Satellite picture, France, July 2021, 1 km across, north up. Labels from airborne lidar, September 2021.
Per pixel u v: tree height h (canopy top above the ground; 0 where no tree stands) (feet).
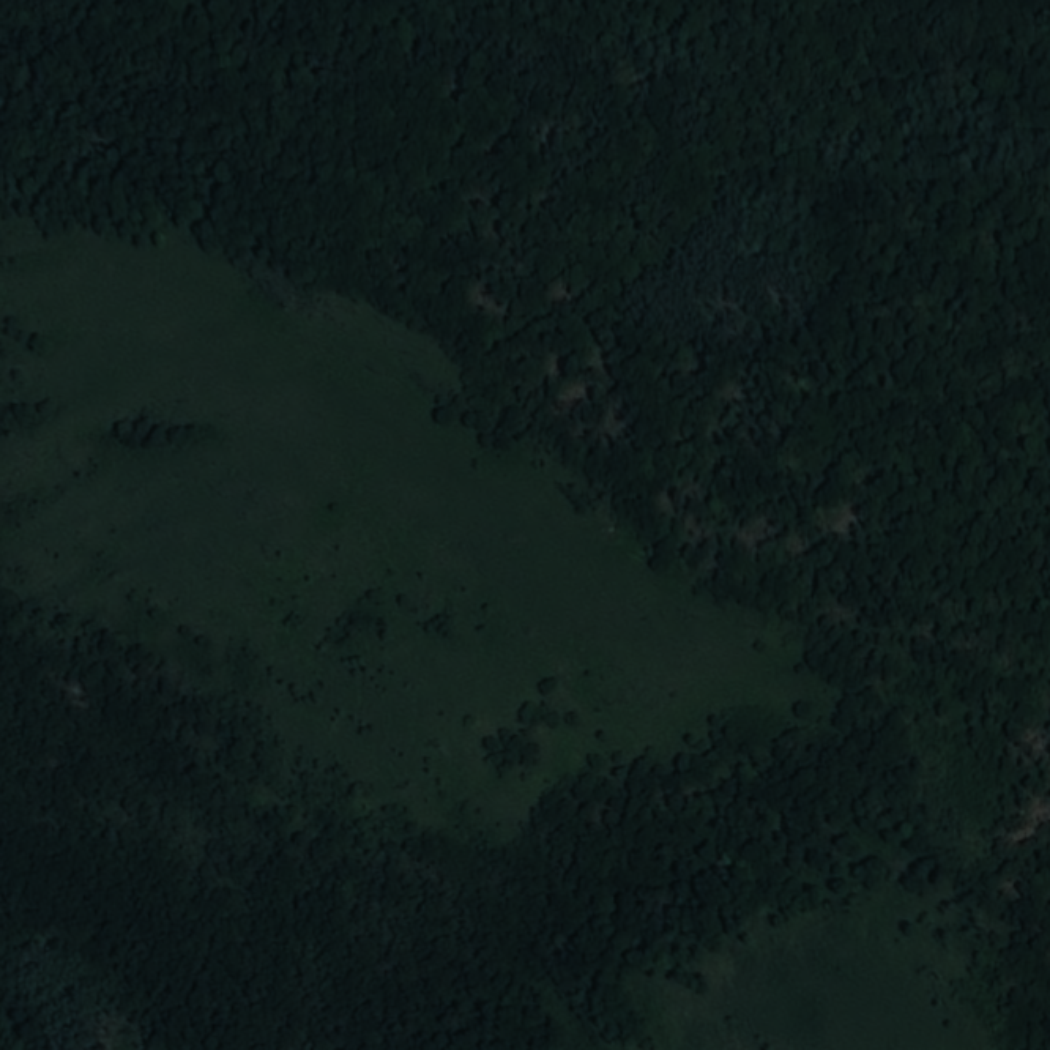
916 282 101
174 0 97
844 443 36
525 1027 68
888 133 81
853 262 80
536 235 87
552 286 89
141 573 0
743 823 93
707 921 72
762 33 63
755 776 75
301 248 69
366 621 35
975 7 79
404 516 0
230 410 0
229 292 0
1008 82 34
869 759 57
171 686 71
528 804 0
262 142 75
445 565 0
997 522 58
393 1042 103
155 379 0
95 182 44
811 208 101
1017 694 70
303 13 81
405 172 93
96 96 30
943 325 27
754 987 0
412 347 0
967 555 70
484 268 79
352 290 58
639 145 79
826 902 21
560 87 88
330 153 77
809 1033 0
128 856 46
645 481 76
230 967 65
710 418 87
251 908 49
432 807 0
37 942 40
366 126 88
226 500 0
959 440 96
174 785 49
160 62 42
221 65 83
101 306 0
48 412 42
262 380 0
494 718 0
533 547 0
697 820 85
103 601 0
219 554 0
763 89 60
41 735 50
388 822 24
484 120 97
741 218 67
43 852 62
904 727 35
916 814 24
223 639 0
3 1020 88
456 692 0
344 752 0
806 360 30
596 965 74
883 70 67
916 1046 0
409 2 62
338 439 0
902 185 113
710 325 94
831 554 85
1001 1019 22
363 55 71
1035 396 110
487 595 0
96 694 64
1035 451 91
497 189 87
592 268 96
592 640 0
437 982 98
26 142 83
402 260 80
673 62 84
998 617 34
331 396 0
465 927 73
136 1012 62
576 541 0
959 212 81
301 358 0
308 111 67
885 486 107
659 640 0
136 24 77
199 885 37
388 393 0
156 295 0
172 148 68
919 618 76
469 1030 54
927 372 62
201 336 0
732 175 39
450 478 0
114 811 51
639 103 77
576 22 62
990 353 69
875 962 0
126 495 0
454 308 78
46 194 66
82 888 81
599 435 79
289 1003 65
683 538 52
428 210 80
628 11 24
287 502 0
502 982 62
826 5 34
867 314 80
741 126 61
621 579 0
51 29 56
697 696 0
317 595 0
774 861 92
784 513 90
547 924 71
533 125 86
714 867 30
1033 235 61
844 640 37
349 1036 79
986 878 59
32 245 0
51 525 0
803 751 27
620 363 94
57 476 0
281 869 60
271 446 0
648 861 76
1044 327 78
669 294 86
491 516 0
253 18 29
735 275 75
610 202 93
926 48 104
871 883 79
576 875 79
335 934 45
